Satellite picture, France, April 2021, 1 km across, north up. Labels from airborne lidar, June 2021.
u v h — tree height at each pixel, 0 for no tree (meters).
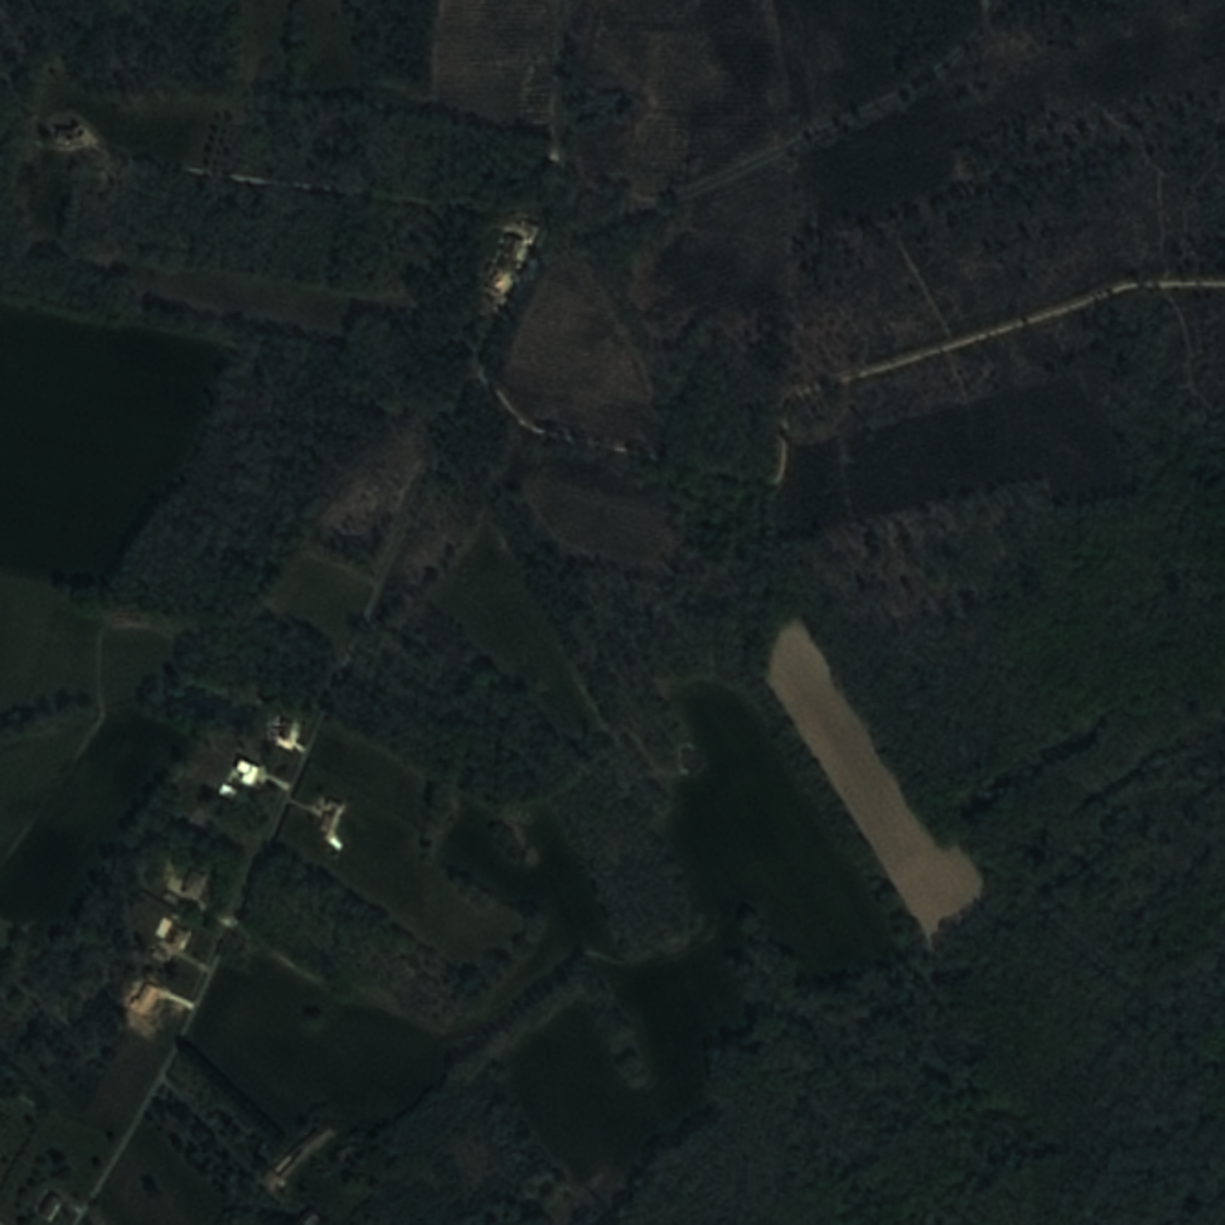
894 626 14
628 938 19
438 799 20
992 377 8
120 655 0
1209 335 9
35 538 0
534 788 16
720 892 0
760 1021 23
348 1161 9
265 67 7
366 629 20
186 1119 13
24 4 22
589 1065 0
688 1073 0
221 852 20
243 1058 0
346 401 24
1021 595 16
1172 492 16
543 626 0
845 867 0
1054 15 22
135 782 0
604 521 0
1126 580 18
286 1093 0
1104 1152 24
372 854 0
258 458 15
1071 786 17
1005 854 26
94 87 22
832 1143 17
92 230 16
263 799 14
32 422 0
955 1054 22
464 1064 20
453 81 0
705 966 0
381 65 14
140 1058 0
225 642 22
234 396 9
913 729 26
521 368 0
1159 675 18
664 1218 20
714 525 12
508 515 15
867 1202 18
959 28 20
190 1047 12
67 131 0
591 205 12
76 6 23
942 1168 16
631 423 0
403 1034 0
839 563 20
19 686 0
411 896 0
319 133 14
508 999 0
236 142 7
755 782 0
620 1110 0
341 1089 0
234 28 23
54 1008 15
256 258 11
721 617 20
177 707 15
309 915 17
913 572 10
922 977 20
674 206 17
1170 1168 29
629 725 17
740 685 17
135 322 9
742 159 0
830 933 0
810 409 22
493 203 17
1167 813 9
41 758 0
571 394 0
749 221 0
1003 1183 19
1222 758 8
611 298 17
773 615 22
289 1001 0
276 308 0
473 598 0
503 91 0
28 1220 7
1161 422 13
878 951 0
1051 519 18
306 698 18
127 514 0
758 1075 26
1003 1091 23
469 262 21
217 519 12
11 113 19
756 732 0
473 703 20
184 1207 0
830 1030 12
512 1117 20
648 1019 0
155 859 15
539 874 0
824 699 0
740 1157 16
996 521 13
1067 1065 16
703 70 0
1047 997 18
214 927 16
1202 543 17
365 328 20
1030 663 17
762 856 0
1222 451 13
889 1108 8
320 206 15
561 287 0
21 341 0
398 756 16
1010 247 7
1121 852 19
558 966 0
